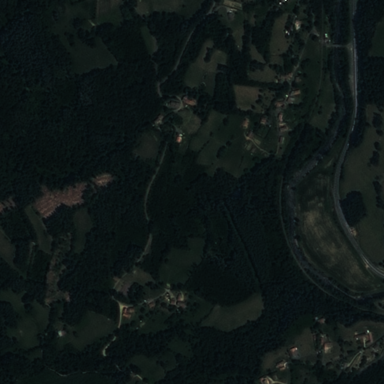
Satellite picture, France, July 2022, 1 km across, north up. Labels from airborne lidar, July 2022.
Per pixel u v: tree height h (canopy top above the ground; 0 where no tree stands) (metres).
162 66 13
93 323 0
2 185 25
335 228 0
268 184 26
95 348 12
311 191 0
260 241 28
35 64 22
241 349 13
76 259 18
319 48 0
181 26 28
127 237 5
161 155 6
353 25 0
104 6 0
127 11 24
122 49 8
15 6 24
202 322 7
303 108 19
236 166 0
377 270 0
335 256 0
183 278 0
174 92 6
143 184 20
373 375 22
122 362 30
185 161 6
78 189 0
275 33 0
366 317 20
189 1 0
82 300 17
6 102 22
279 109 0
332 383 13
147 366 0
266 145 0
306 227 0
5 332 11
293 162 20
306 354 0
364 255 0
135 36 8
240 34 0
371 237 0
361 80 14
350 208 28
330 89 0
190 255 0
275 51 0
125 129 22
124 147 15
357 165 0
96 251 21
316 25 14
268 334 13
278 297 22
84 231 0
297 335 0
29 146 18
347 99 18
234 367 22
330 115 0
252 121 0
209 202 25
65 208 21
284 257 16
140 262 8
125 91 17
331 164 0
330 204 0
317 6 18
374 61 23
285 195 18
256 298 0
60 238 9
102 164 21
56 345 6
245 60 23
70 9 0
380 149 12
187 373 14
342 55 8
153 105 23
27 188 34
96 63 0
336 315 31
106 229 21
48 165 12
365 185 0
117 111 20
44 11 8
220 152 17
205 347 23
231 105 27
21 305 0
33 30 28
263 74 0
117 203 27
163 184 9
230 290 11
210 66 0
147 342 27
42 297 12
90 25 0
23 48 30
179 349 0
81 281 23
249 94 0
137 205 25
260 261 26
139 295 19
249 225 28
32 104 28
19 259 24
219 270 10
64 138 18
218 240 6
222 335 21
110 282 0
